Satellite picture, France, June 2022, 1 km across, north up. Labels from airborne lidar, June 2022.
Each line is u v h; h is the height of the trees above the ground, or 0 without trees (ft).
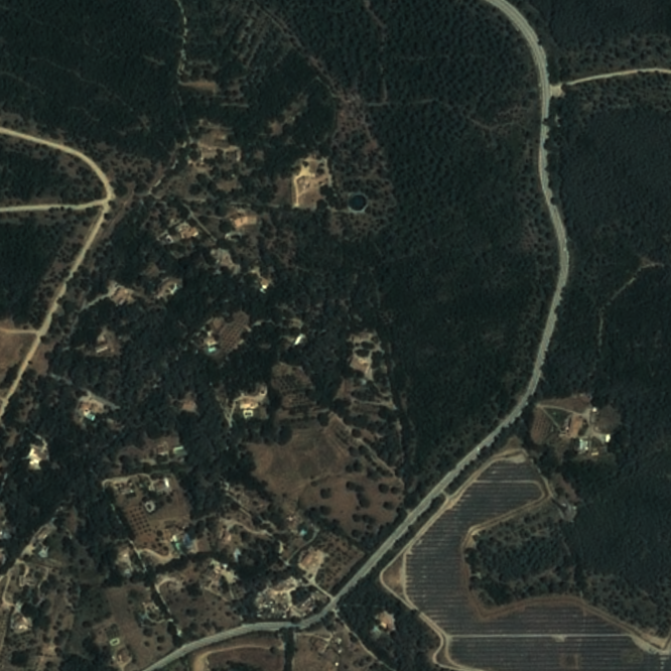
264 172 30
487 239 32
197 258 44
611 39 56
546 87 0
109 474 62
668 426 58
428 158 51
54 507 52
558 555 45
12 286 53
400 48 21
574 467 39
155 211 19
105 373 54
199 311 37
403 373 26
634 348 30
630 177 43
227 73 43
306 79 36
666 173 49
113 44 33
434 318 18
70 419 33
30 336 0
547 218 36
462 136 46
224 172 19
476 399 38
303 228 22
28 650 23
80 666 56
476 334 22
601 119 49
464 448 28
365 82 49
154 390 35
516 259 42
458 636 0
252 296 65
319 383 37
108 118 30
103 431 65
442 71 52
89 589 31
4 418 44
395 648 63
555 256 21
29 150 26
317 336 35
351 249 26
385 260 45
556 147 28
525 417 48
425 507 0
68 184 22
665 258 46
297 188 0
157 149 24
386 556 22
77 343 41
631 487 46
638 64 64
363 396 50
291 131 31
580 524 36
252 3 28
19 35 31
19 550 54
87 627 36
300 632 28
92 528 55
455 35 55
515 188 44
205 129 26
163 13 43
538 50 0
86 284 31
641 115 54
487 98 49
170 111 40
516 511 0
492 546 33
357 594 49
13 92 33
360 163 44
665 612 46
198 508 48
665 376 28
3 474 28
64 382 27
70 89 20
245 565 35
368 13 35
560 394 52
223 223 37
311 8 20
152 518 0
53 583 52
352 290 37
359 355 29
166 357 46
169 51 41
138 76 22
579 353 46
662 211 50
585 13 36
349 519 0
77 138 30
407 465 37
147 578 29
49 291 25
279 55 31
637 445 52
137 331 31
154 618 33
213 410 60
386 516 0
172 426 64
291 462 0
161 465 27
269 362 52
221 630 19
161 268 36
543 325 28
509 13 0
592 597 28
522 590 21
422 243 47
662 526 51
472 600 0
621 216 56
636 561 32
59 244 31
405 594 0
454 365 29
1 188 32
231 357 45
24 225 31
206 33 25
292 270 48
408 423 42
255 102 29
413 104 26
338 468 0
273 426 51
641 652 0
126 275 31
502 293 29
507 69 45
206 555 24
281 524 36
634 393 62
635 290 22
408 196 63
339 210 31
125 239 37
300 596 55
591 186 58
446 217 21
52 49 21
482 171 22
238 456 51
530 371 18
